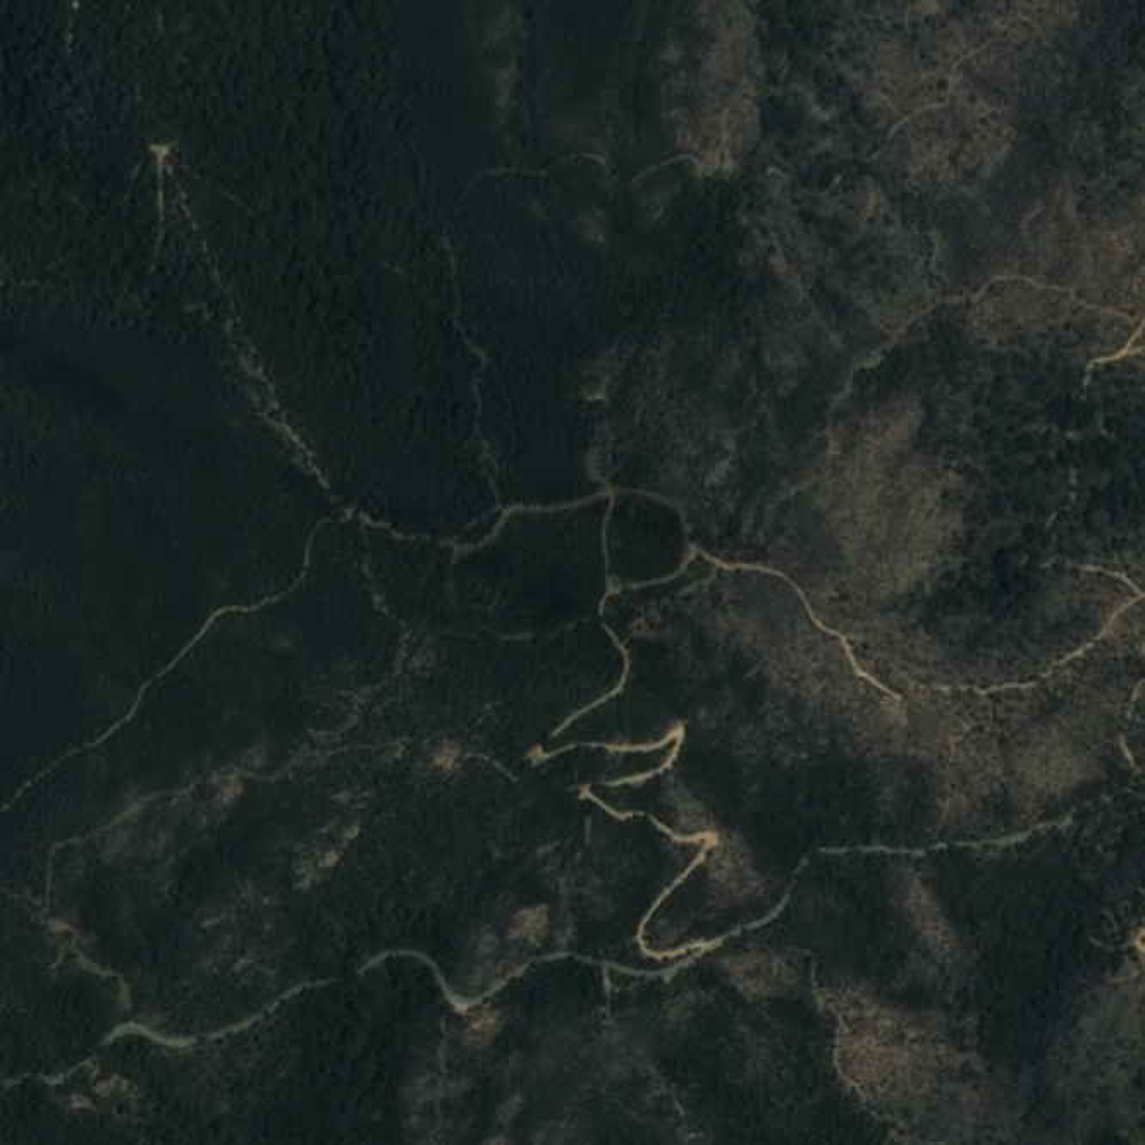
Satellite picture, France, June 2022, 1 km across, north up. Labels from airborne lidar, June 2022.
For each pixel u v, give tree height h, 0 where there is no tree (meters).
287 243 18
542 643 9
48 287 7
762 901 6
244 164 13
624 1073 0
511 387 8
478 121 6
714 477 0
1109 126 10
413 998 14
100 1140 8
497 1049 6
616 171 9
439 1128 0
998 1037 8
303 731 6
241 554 6
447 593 10
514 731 6
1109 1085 8
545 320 8
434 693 8
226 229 9
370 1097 10
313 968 12
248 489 8
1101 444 14
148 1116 11
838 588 10
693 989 7
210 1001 6
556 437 10
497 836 7
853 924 11
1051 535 12
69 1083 9
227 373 6
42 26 8
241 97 13
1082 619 9
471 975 0
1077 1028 7
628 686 6
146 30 10
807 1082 11
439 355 15
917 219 9
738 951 8
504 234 7
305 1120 9
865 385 8
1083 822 11
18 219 12
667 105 0
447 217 7
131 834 0
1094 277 0
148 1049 11
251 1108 8
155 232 9
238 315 7
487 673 7
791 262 7
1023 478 11
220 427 6
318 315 13
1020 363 15
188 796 0
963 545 13
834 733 7
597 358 8
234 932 7
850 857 9
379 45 8
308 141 13
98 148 8
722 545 6
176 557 7
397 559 8
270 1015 9
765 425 7
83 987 8
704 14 0
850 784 16
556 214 6
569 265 7
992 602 11
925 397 8
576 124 0
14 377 6
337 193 6
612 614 8
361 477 10
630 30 6
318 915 12
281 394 6
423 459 9
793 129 13
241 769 0
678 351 9
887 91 8
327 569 6
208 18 15
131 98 6
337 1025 6
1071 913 11
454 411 14
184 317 9
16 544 7
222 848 10
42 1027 10
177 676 7
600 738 11
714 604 6
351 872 10
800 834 12
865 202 0
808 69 10
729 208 13
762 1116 9
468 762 7
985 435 12
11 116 8
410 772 10
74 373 7
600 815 6
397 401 11
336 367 11
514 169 6
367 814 9
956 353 8
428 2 6
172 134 10
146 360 8
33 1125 9
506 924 0
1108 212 8
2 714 7
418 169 10
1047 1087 6
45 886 6
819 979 6
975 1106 0
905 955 9
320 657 6
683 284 9
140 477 7
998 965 9
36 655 8
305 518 7
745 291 6
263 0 13
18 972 10
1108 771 6
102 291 9
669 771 8
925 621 11
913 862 8
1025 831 9
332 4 16
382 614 6
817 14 0
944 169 0
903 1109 7
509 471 7
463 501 8
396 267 8
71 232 8
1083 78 8
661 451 8
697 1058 10
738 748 7
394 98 14
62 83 12
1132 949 7
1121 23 8
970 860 12
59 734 8
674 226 6
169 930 7
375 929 14
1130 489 9
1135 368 10
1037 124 6
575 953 8
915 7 0
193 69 15
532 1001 7
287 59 16
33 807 7
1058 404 14
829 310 6
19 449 6
